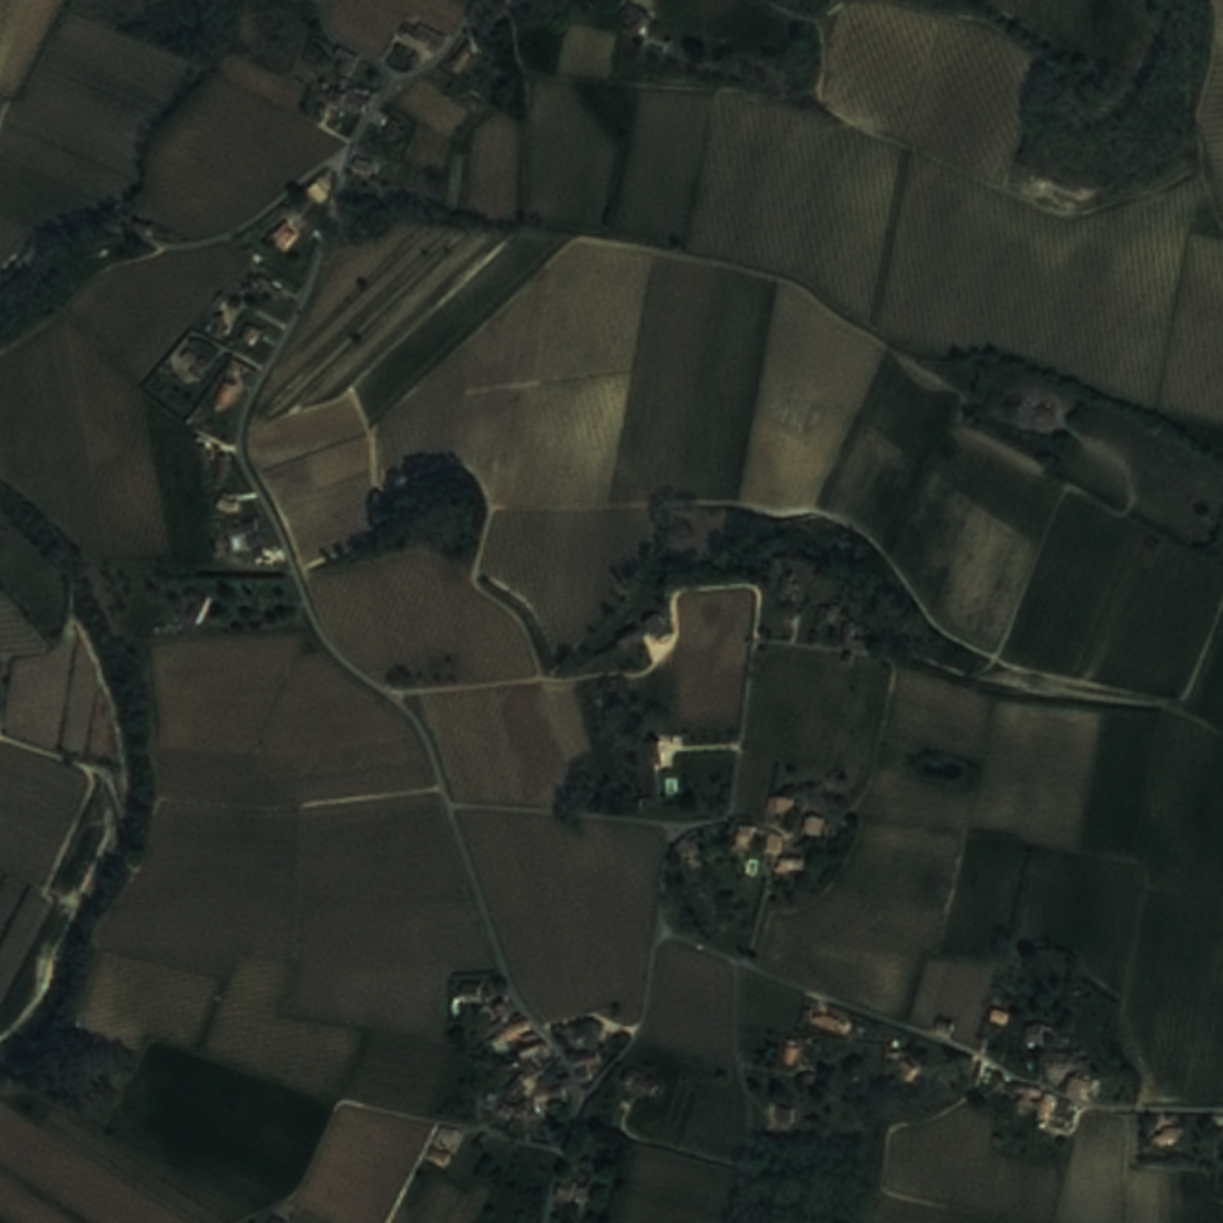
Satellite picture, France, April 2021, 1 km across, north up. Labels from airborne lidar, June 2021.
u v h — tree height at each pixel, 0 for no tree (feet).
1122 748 0
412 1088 0
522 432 0
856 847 0
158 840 0
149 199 0
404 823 0
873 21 0
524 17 61
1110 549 0
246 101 0
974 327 0
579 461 0
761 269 0
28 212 0
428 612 0
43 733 0
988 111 0
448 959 0
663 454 0
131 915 0
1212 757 0
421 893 0
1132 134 64
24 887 0
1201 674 0
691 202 0
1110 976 0
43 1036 25
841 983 0
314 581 0
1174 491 0
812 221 0
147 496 0
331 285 0
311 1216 0
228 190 0
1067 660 0
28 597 0
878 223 0
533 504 0
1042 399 0
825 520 0
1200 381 0
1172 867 0
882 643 39
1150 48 0
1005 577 0
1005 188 0
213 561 0
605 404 0
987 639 0
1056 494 0
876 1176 70
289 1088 0
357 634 0
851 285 0
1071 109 68
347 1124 0
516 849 0
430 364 0
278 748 0
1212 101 0
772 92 65
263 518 0
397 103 0
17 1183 0
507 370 0
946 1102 60
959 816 0
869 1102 41
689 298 0
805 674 0
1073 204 0
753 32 0
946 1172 0
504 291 0
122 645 34
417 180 0
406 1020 0
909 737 0
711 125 0
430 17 0
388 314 0
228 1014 0
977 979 0
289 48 0
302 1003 0
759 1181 50
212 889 0
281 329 0
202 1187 0
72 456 0
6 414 0
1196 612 0
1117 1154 0
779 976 0
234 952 0
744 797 0
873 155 0
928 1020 0
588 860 0
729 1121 0
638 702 48
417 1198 0
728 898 27
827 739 0
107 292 0
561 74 0
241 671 0
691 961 0
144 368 0
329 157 0
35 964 0
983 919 0
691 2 0
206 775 0
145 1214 0
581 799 58
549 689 0
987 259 0
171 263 0
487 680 0
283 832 0
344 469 0
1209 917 0
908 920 0
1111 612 0
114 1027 0
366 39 0
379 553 46
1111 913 0
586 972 0
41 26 0
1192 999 0
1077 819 0
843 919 0
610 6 71
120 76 0
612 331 0
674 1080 0
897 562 0
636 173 0
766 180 0
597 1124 28
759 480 0
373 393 0
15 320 49
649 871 0
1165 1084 0
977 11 51
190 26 32
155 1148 0
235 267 0
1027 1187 0
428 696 0
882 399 0
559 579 0
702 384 0
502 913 0
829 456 0
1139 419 28
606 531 0
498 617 0
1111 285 0
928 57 0
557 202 0
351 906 0
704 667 0
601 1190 48
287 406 0
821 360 0
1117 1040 0
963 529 0
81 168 0
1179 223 0
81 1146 0
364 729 0
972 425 23
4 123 0
